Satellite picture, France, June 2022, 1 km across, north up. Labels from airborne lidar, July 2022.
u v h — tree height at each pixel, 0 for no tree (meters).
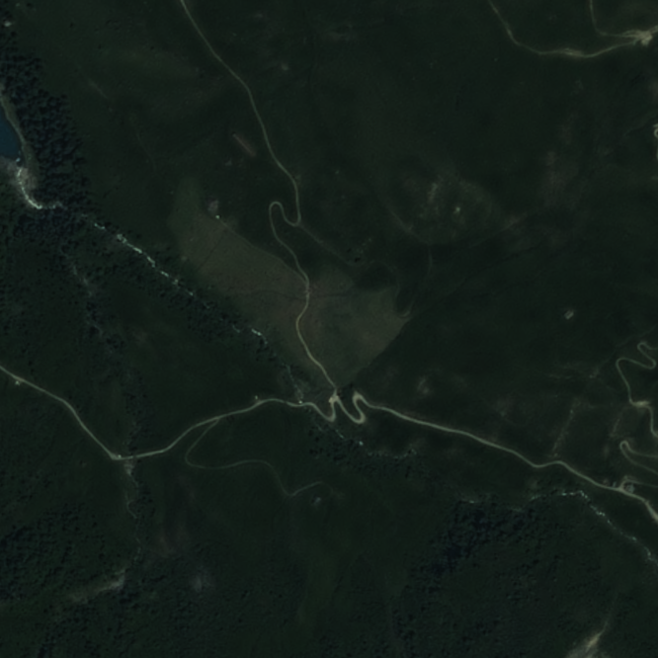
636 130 0
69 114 6
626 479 0
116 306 0
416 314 0
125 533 0
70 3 0
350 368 0
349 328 0
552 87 0
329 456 7
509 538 8
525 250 0
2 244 10
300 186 0
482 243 0
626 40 0
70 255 8
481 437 0
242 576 0
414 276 0
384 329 0
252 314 0
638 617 0
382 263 0
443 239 0
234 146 0
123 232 7
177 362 0
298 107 0
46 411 0
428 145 0
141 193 0
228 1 0
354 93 0
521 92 0
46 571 12
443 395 0
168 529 0
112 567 8
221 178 0
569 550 0
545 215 0
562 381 0
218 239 0
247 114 0
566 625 7
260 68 0
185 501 0
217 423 0
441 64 0
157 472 0
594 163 0
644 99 0
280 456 0
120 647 8
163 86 0
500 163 0
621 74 0
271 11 0
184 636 7
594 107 0
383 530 0
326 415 0
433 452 0
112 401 0
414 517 0
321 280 0
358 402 0
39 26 0
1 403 0
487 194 0
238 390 0
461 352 0
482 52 0
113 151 0
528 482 0
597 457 0
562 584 0
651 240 0
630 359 0
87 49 0
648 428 0
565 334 0
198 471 0
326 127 0
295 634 0
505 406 0
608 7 0
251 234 0
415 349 0
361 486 0
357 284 0
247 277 0
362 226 0
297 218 0
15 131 0
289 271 0
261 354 8
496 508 11
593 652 0
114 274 9
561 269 0
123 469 0
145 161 0
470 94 0
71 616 6
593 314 0
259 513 0
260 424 0
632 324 0
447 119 0
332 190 0
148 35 0
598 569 6
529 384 0
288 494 0
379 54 0
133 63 0
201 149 0
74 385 0
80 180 8
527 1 0
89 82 0
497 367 0
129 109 0
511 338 0
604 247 0
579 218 0
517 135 0
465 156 0
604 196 0
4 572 8
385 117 0
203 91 0
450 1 0
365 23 0
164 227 0
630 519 0
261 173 0
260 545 0
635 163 0
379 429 0
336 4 0
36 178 0
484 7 0
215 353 0
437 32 0
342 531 0
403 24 0
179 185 0
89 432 0
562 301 0
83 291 7
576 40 0
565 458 0
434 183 0
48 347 0
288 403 0
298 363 0
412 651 6
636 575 0
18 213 6
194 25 0
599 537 0
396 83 0
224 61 0
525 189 0
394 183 0
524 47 0
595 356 0
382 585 0
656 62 0
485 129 0
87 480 0
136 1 0
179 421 0
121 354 8
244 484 0
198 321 8
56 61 0
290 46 0
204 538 0
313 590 0
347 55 0
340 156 0
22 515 0
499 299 0
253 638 0
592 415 0
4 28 13
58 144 35
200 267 0
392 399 0
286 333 0
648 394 0
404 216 0
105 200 6
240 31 0
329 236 0
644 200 0
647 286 0
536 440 0
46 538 7
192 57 0
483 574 0
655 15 0
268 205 0
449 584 0
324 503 0
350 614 0
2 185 9
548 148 0
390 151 0
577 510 0
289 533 0
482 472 0
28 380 0
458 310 0
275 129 0
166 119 0
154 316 0
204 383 0
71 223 16
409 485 0
